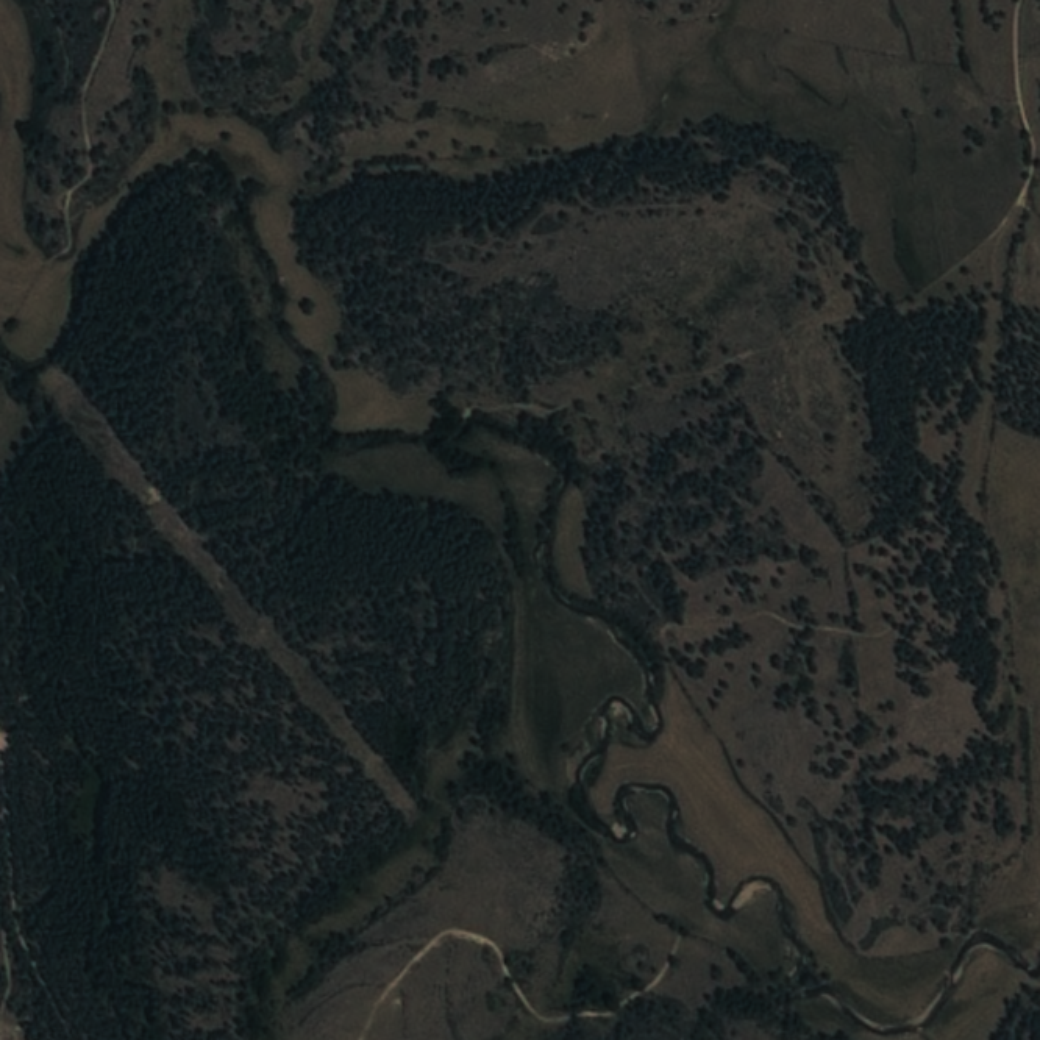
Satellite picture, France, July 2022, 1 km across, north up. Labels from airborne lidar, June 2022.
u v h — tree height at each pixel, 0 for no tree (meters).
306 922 22
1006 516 0
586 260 0
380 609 19
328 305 0
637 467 14
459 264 0
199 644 18
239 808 16
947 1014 0
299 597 22
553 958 0
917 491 15
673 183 11
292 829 17
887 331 14
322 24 0
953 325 17
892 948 0
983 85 0
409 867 0
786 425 0
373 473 0
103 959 26
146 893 18
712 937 0
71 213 0
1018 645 0
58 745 24
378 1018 0
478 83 0
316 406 11
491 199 16
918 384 13
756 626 0
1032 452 0
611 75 0
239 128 0
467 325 10
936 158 0
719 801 0
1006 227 0
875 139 0
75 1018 18
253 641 0
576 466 12
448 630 18
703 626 0
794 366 0
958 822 16
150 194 21
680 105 0
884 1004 0
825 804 0
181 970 23
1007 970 0
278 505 20
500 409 0
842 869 0
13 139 0
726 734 0
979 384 12
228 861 18
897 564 12
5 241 0
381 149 0
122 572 22
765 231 0
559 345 7
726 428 13
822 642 0
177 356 16
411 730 8
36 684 18
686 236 0
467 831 0
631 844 0
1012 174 0
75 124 0
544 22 0
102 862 26
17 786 17
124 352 18
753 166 12
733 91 0
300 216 13
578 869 6
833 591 0
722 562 15
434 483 0
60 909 18
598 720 0
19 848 17
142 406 17
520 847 0
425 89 0
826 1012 0
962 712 0
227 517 17
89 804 0
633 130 0
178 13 0
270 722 13
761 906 0
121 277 29
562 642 0
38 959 15
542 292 0
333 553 28
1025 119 0
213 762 15
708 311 0
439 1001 0
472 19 0
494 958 0
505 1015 0
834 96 0
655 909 0
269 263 8
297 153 0
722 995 16
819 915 0
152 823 23
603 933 0
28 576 21
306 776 17
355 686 18
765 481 0
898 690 0
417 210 17
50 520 20
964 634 18
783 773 0
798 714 0
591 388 0
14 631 16
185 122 0
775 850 0
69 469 22
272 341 0
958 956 0
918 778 0
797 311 0
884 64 0
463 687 14
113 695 28
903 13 0
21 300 0
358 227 12
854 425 8
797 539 0
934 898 7
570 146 0
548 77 0
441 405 16
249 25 0
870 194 0
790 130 0
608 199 10
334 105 10
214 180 20
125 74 0
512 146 0
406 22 13
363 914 0
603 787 0
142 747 27
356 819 17
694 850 0
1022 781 7
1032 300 0
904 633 12
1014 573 0
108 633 23
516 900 0
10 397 6
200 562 0
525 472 0
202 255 9
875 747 0
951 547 10
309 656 18
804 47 0
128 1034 17
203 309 12
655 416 0
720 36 0
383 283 18
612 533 10
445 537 27
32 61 0
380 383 0
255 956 9
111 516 17
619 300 0
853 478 0
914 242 0
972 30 0
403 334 9
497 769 15
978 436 0
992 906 0
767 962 0
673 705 0
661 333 0
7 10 0
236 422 7
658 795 0
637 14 0
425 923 0
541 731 0
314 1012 0
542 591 0
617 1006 20
